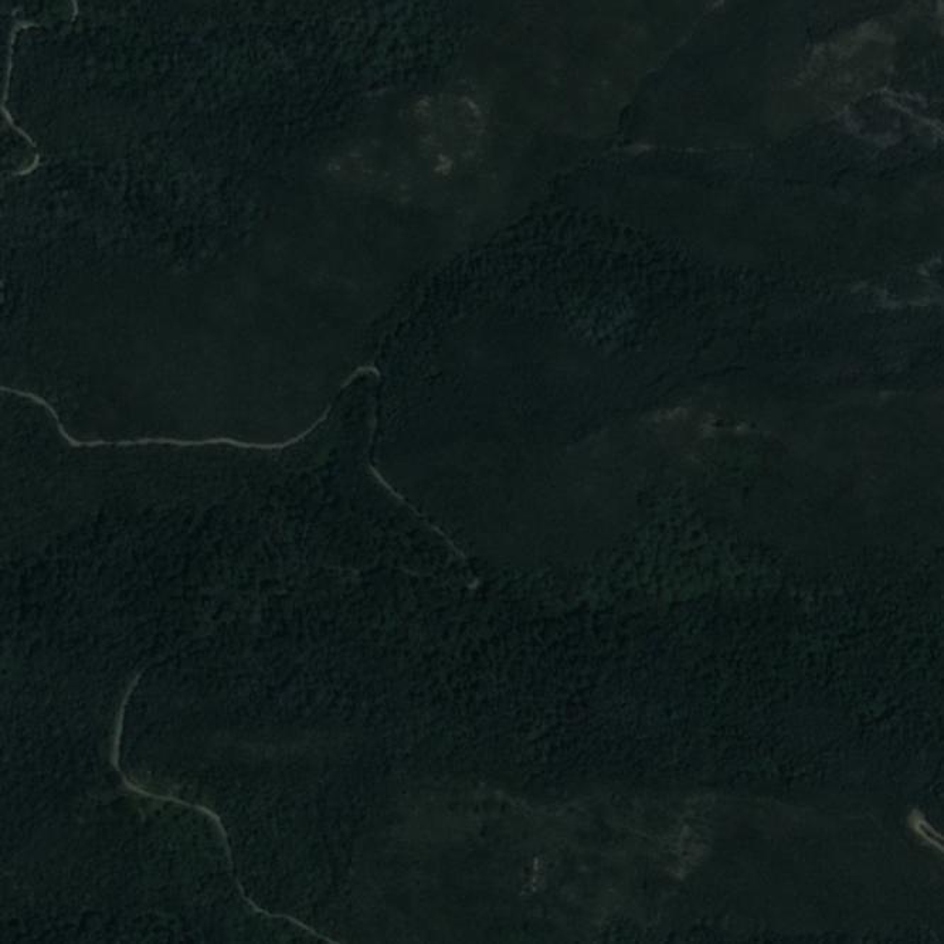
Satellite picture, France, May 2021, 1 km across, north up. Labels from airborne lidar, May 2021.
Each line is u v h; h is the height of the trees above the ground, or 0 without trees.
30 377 6
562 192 9
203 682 15
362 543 18
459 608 12
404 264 6
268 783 14
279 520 17
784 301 7
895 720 17
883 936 6
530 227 18
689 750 13
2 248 7
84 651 11
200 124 9
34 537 14
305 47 18
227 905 15
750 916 6
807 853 6
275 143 13
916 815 0
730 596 17
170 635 16
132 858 17
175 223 11
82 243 9
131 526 15
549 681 16
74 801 13
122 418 6
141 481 10
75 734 9
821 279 7
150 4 14
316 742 7
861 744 8
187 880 14
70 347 6
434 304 16
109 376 6
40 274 9
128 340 6
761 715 8
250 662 12
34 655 16
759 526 7
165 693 8
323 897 9
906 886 5
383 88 20
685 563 8
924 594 9
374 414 12
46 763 12
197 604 16
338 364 6
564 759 15
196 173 14
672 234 8
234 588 14
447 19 10
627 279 10
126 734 7
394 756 13
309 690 17
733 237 6
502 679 16
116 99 11
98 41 18
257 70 13
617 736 12
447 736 15
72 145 12
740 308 8
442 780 7
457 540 11
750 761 11
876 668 8
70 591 17
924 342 6
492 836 14
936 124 0
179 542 16
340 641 12
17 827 8
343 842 10
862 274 6
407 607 14
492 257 8
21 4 10
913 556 6
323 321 6
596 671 15
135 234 13
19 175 9
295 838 7
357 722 13
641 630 9
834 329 7
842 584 10
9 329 7
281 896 13
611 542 6
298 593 14
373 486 16
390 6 14
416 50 11
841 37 0
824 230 5
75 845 7
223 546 21
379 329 20
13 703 10
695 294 8
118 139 9
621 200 7
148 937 18
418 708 9
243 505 19
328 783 8
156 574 24
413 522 19
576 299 11
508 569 6
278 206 7
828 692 10
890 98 0
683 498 15
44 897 17
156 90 13
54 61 11
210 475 9
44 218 8
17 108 6
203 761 12
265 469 14
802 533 6
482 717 16
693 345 6
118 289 6
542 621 17
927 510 6
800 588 19
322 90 12
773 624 15
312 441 11
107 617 16
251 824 6
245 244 10
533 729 18
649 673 12
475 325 5
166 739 7
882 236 6
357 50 9
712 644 12
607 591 16
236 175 15
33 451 9
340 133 9
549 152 7
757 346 6
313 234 6
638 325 12
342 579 11
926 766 6
